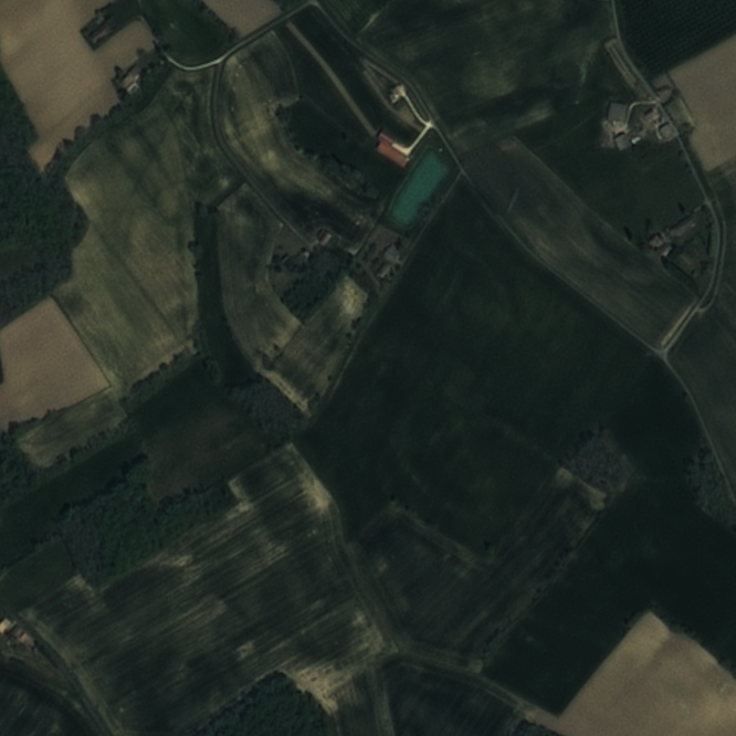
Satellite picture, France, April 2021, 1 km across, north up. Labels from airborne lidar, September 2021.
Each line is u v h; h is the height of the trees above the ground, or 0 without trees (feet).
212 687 0
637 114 0
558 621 0
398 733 0
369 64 0
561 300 0
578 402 0
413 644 0
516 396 0
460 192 0
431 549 0
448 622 0
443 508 0
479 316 0
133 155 0
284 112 50
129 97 57
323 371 0
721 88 0
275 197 0
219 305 0
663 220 0
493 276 0
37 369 0
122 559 78
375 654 0
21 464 56
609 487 52
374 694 0
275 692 63
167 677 0
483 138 0
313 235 36
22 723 0
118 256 0
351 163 0
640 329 0
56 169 60
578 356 0
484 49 0
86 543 72
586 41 0
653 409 0
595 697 0
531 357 0
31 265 0
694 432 0
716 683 0
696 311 0
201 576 0
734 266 0
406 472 0
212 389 0
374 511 0
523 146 0
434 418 0
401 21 0
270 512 0
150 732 0
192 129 0
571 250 0
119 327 0
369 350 0
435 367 0
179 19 0
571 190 0
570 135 0
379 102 0
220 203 0
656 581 0
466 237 0
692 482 50
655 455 0
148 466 62
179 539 44
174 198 0
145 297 0
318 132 0
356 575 0
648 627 0
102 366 0
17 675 0
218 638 0
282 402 64
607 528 0
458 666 0
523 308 0
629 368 0
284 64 0
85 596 0
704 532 0
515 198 0
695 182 0
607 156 0
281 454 0
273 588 0
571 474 33
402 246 34
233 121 0
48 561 0
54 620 0
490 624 0
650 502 0
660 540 0
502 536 0
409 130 0
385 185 0
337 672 0
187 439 0
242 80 0
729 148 0
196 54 0
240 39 60
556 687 0
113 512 65
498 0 0
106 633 0
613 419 0
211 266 0
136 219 0
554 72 0
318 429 0
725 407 0
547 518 0
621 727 0
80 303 0
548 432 0
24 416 0
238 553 0
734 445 0
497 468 0
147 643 0
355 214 0
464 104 0
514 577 0
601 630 0
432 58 0
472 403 0
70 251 47
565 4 0
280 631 0
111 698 0
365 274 24
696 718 0
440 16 0
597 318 0
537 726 40
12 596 0
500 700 0
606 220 0
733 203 0
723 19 19
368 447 0
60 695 0
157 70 54
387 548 0
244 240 0
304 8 0
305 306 23
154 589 0
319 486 0
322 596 0
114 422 0
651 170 0
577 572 0
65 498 0
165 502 0
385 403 0
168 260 0
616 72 0
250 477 0
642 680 0
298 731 81
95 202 0
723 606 0
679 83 0
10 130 62
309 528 0
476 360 0
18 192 81
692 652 0
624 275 0
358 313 0
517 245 0
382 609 0
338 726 0
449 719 0
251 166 0
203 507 47
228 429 0
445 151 0
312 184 0
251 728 81
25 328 0
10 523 0
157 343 0
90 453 46
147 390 65
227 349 0
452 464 0
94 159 0
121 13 0
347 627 0
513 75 0
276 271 22
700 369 0
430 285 0
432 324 0
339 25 0
